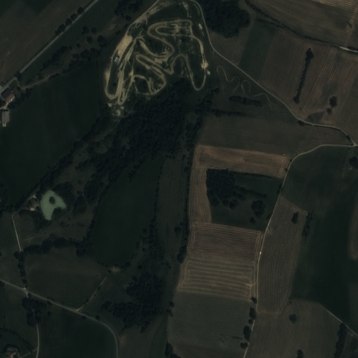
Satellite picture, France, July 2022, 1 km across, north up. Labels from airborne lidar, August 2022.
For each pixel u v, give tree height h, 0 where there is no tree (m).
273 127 0
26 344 6
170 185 0
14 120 0
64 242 23
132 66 0
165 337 0
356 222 0
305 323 0
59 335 0
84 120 0
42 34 0
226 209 0
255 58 0
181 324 0
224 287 0
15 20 0
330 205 0
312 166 0
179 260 10
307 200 0
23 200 19
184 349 0
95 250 0
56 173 14
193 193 0
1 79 0
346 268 0
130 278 0
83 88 0
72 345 0
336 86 0
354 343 0
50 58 0
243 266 0
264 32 0
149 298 25
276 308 0
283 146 0
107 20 0
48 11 0
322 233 0
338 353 8
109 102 0
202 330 0
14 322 0
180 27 0
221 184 20
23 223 0
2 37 0
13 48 0
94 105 0
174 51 0
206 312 0
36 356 0
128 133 15
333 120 0
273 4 0
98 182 7
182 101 7
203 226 0
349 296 0
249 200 0
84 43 0
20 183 0
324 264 0
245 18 8
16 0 0
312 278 0
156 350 0
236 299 0
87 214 0
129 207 0
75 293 0
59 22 0
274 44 0
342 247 0
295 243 0
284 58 0
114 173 7
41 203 0
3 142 0
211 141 0
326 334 0
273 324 0
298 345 0
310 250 0
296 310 0
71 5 0
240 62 0
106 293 0
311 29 0
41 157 0
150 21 0
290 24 0
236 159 0
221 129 0
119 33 9
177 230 14
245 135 0
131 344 0
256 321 0
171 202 0
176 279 0
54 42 0
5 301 0
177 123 21
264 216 0
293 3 0
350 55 0
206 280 0
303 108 0
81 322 0
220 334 0
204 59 0
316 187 0
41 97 0
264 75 0
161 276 0
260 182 0
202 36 0
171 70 0
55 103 0
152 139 7
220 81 0
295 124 0
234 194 12
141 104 8
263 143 0
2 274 0
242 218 0
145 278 22
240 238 0
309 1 0
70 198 8
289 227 0
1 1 0
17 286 0
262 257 0
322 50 0
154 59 0
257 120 0
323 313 0
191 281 0
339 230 0
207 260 0
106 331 0
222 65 0
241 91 0
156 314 16
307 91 0
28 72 0
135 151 21
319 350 0
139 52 0
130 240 0
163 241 0
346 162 0
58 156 0
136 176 8
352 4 0
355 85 0
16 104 20
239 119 0
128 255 0
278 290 0
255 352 0
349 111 0
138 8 16
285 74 0
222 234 0
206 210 0
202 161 0
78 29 0
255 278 0
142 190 0
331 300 0
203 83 0
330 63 0
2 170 0
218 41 0
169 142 18
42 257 0
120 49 0
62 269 0
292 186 0
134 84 0
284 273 0
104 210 0
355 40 0
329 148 0
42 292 0
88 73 0
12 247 0
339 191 0
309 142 0
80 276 0
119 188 0
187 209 6
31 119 0
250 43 0
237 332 0
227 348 0
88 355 0
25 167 0
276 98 0
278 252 0
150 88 0
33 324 22
